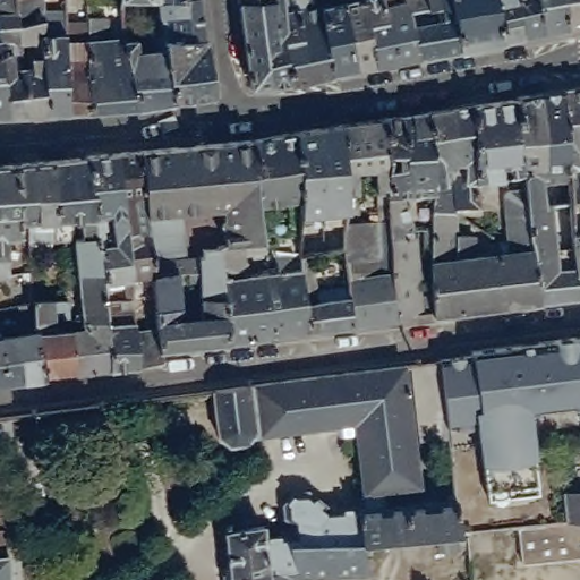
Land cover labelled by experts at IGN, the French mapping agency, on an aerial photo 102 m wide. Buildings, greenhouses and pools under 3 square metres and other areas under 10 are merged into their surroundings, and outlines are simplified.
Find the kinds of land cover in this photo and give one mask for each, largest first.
<instances>
[{"label":"building","instance_id":"1","mask_svg":"<svg viewBox=\"0 0 580 580\"><path fill-rule=\"evenodd\" d=\"M206 0H109V5L104 7V11H100V14H84V9H82V2H79V0H0V125L100 120L102 125H122L129 118H150L165 111H218L222 100L220 86L213 84V52H202L199 45L206 39H199L195 34V29H204ZM129 7L143 9L140 16L152 20L154 34H134L131 29H122V23L118 18L125 16ZM242 34L247 45V66L242 68V73L245 82L254 86L261 97L272 95L281 88H288L292 95H306L313 93V84H324L340 75H356L358 70L367 77L374 73H390L392 77L401 79L403 73H426L430 63L440 61L501 54L517 45L526 48V52H532L541 39H562L566 34L580 36V0H276L263 7H240ZM487 170H503L505 174L514 172L519 181L508 184L512 193L505 195V231H501L496 233V238L478 233L467 238L458 233L462 218L458 211L480 208V190L483 186H487ZM363 177L378 179V195H383L381 222L369 220L367 224H351L347 206L358 202L363 190ZM299 186H306L304 233L313 236L319 231H333L338 227L342 229L349 299L322 301L310 306V295L317 290L319 281L313 279L315 270L308 267V261L301 263V270L288 272L285 263L290 258H276V272L272 274H256L229 281V274L242 272L249 265V261L265 258L267 247L263 236V213L295 208L299 202ZM419 202H435V208L428 211V222H433L437 233L433 245V283L437 290L433 315L435 319H453L458 324L514 313H541L553 308L580 306V91H566L562 95L544 100H532L530 95H523L510 102L469 104L467 109L383 118L378 125L369 122L308 129L295 131L290 138L272 136L254 140L204 143L193 147L131 150L116 154H88L82 159L0 165V283H9L14 274L11 270L20 263L23 245H54L66 242L70 247L75 281L73 292V304H36L34 335L0 340V394L9 403L14 399V392L18 390L43 387L48 383L66 378L88 381L97 376H138L140 381H145L150 372H156L154 365H163L161 353L165 344L174 347L177 351L222 353L233 349H247L249 340H256L258 347H279L281 342H297L313 335H333L338 340L353 338L356 329L399 331V326H417V319L426 306V297L421 292L419 240L415 227V222H424L421 208H417ZM204 208H213L218 215L224 218V233L231 245L204 251V258H190V233L186 231L184 220L190 218L193 222H197L195 215ZM564 208L573 213L571 238L575 247V270L562 267V261H566V249H562L560 213ZM152 272L161 274V281L156 285V317L161 329L159 338H152V331L140 329L143 288L150 281ZM188 285L202 288V308L206 313L218 315L215 322L181 324L179 317L186 308L184 292ZM444 426L449 430H460L462 426L480 428L487 492L489 503H494L496 508L528 505L546 496L539 451L537 424L553 421L555 415L569 412L571 408L580 406V338L571 340V344H566L564 340H544L530 347L512 344L496 347L489 351L478 349L467 353L462 360L440 358L435 363ZM220 408V433L227 442L240 446L242 451L256 444L265 446L267 440H290L295 444L301 442L304 435L353 428V455L360 460L363 494L367 498L424 492V440L417 433L412 367L396 365L342 374L267 381L256 383L251 387L213 390ZM569 505H564V514L569 523H555L510 528L512 535H519L521 541L519 562L535 564L580 560V494H566ZM285 523H295L299 532H304L295 548H290L283 539H272L270 530L265 528L227 532L231 580H360L369 575V551L455 544L467 539V532H478L476 523L462 519L460 510H444L440 514L415 512L412 519L403 517L401 512H396L394 517H356L353 512H344L342 517H329L324 503L292 501L283 510ZM0 580H23V564L14 555L11 541H7L0 532Z\"/></svg>","mask_w":580,"mask_h":580},{"label":"impervious surface","instance_id":"2","mask_svg":"<svg viewBox=\"0 0 580 580\"><path fill-rule=\"evenodd\" d=\"M276 0H206L204 29H195V34L199 39H206L199 45L202 52H213V84L220 86L222 100L218 111H165L150 118H129L122 125H102L100 120L0 125V165L82 159L88 154H116L131 150L193 147L204 143L254 140L272 136L290 138L295 131L308 129L369 122L378 125L383 118L467 109L469 104L510 102L523 95H530L532 100H544L562 95L566 91H580V36L566 34L562 39H541L532 52H526V48L517 45L501 54L440 61L430 63L426 73H403L401 79L392 77L390 73H374L367 77L358 70L356 75H340L324 84H313V93L306 95H292L288 88H281L272 95L261 97L254 86L245 82L242 73V68L247 66V45L242 34L240 7H263ZM487 186H483L480 190V208L458 211L462 218L458 233L467 238L478 233L483 224L480 218L492 211H501V231H505V195L512 193L508 184L519 181L514 172L505 174L503 170H487ZM306 186H299V202L295 208V240L290 238L285 242H279L276 256L265 258L249 261V265L242 272L229 274V281L256 274H272L276 272V258H290L285 263L288 272L301 270V263L308 261V267L315 270L313 279L319 281L317 290L310 295V306L322 301L349 299L342 229L338 227L333 231H319L313 236L304 233ZM351 224H367L369 220L381 222L383 195H378L376 202H372V195L365 202H358L347 206ZM417 208H421L424 222H415V227L419 240L421 292L426 297V306L417 319V326H399V331L356 329L353 338L338 340L333 335H313L297 342H281L279 347H258L256 340H249L247 349H233L222 353L177 351L174 347L165 344L161 353L163 365H154L156 372H150L145 381H140L138 376H97L88 381L66 378L48 383L43 387L18 390L14 392V399L9 403L0 394V444L14 446L16 442H23L16 449L18 455H23L29 453L36 444H41L52 430L61 428L63 424L70 428L77 424H86L91 430H100L106 424L109 410L122 399H136L140 394H145L150 401L172 396L177 406L188 408V419L193 424H199L215 444L227 449L222 458L238 464L267 451L272 462L267 478L249 487V498H242L238 508L231 512V517L213 523V528H204L199 535L186 537L177 530L174 521L168 512V489L159 474H147L154 517L163 523L165 532L177 551L184 555L186 566L195 575V580H231L227 532L265 528L270 530L272 539H283L290 548H295L304 532H299L295 523H285L283 510L292 501L324 503L329 517H342L344 512H353L356 517H394L396 512H401L403 517L412 519L415 512L440 514L444 510H460L453 487H440L433 483L430 476H424V492L367 498L363 494L360 460L353 455V428L304 435L301 442L295 444L290 440H267L265 446L256 444L242 451L240 446L227 442L220 433V408L213 390L251 387L256 383L267 381L342 374L396 365L412 367L417 433L424 440V460H428L433 446H442V442H449L451 451L455 449L458 453H467L469 449H474L478 480L483 492H487L480 428L462 426L460 430H449L444 426L435 363L440 358L462 360L467 353L478 349L489 351L496 347L512 344L530 347L544 340H564L566 344H571V340L580 338V306L553 308L541 313H514L458 324L453 319H435L433 315L437 290L433 283V245L437 233L433 222H428V211L435 208V202H419ZM197 222H193L190 218L184 220L186 231L190 233V258H204V251L231 245L224 233V218L218 215L213 208H204L195 215ZM573 213L564 208L560 213L562 249H566V261H562V267L575 270V247L571 238ZM161 281V274L152 272L150 281L143 288L140 329L152 331V338H159L161 329L156 317V285ZM73 304V292H66L63 297L59 295L54 283H32V274H14L9 283H0V340L34 335L36 304ZM202 288L188 285L184 292L186 308L179 317L181 324L215 322L218 315L206 313L202 308ZM551 435H580V406L571 408L569 412L555 415L553 421L537 424L539 451L548 446ZM29 480L41 496H45L43 476L39 474L36 462L29 460Z\"/></svg>","mask_w":580,"mask_h":580},{"label":"deciduous trees","instance_id":"3","mask_svg":"<svg viewBox=\"0 0 580 580\"><path fill-rule=\"evenodd\" d=\"M79 2H82V9H84V14H100V11H104V7L109 5V0H79ZM143 9L129 7L125 16L118 18L122 23V29H131L134 34H154L152 20L140 16ZM372 195V202H376L378 195V179L363 177V190L358 202H365ZM295 208L263 213V236L267 247L265 258L276 256L279 242H285L290 238L295 240ZM483 224L478 233L496 238V233L501 231V211H492L480 218ZM57 251L48 249L45 254L32 256L27 274H32V283H54L59 295L63 297L66 292H73L75 281L70 247L66 242L54 245ZM23 442H16L14 446L0 444V532L7 541H11L14 555L23 564V580H145L152 578L156 569L163 562H168L177 551L165 532L145 541L140 557L125 564L116 575L104 578L97 571L100 555L113 553L116 548L111 544V532L120 528H138L145 519L154 517L147 474H159L168 489L174 485H188L190 494V508L181 514V519L174 521L177 530L186 537L199 535L204 528H213V523L231 517V512L238 508L242 498H249V487L267 478L272 462L267 451L238 464L222 458L227 449L215 444L199 424H193L188 419V408L177 406L172 396L150 401L145 394H140L136 399H122L109 410L106 424L100 430H91L86 424H77L70 428L63 424L61 428L52 430L41 444H36L29 453L23 455H18L16 449ZM29 460L36 462L39 474L43 476L45 496H41L29 480ZM45 498H54L66 510L57 517L52 526L41 528L34 526V512L41 505H45ZM546 496L555 523H569L564 514V505H569L566 494H580V435H551L548 446L539 451ZM424 476H430L433 483L440 487H453L451 451L449 442H442V446H433L428 460H424Z\"/></svg>","mask_w":580,"mask_h":580},{"label":"herbaceous vegetation","instance_id":"4","mask_svg":"<svg viewBox=\"0 0 580 580\"><path fill-rule=\"evenodd\" d=\"M48 249L57 251L54 245H23L20 263L11 270L14 274H27L32 256L45 254ZM453 487L460 510L462 519L476 523L478 532H467V539L455 544L369 551V575L360 580H376L383 553L390 557V564H401L396 580H489L494 564L519 562L521 541L519 535H512L510 528L555 523L546 496L528 505L496 508L494 503H489L487 492H483L478 480L474 449H469L467 453H458L455 449L451 451ZM190 508V494L188 485H174L168 489V512L174 521L181 519V514ZM66 510L54 498H45V505H41L34 512V526L41 528L52 526L57 517ZM145 580H195V575L186 566L184 555L177 551L168 562H163L156 569L152 578Z\"/></svg>","mask_w":580,"mask_h":580},{"label":"pervious surface","instance_id":"5","mask_svg":"<svg viewBox=\"0 0 580 580\"><path fill-rule=\"evenodd\" d=\"M401 564H390V557L383 553L376 580H396ZM489 580H580V560L535 564L519 562L494 564Z\"/></svg>","mask_w":580,"mask_h":580},{"label":"brushwood","instance_id":"6","mask_svg":"<svg viewBox=\"0 0 580 580\"><path fill-rule=\"evenodd\" d=\"M165 532L163 523L154 517L145 519L138 528H120L111 532V544L116 548L113 553L100 555L97 571L104 578L116 575L125 564L140 557L145 541Z\"/></svg>","mask_w":580,"mask_h":580}]
</instances>
